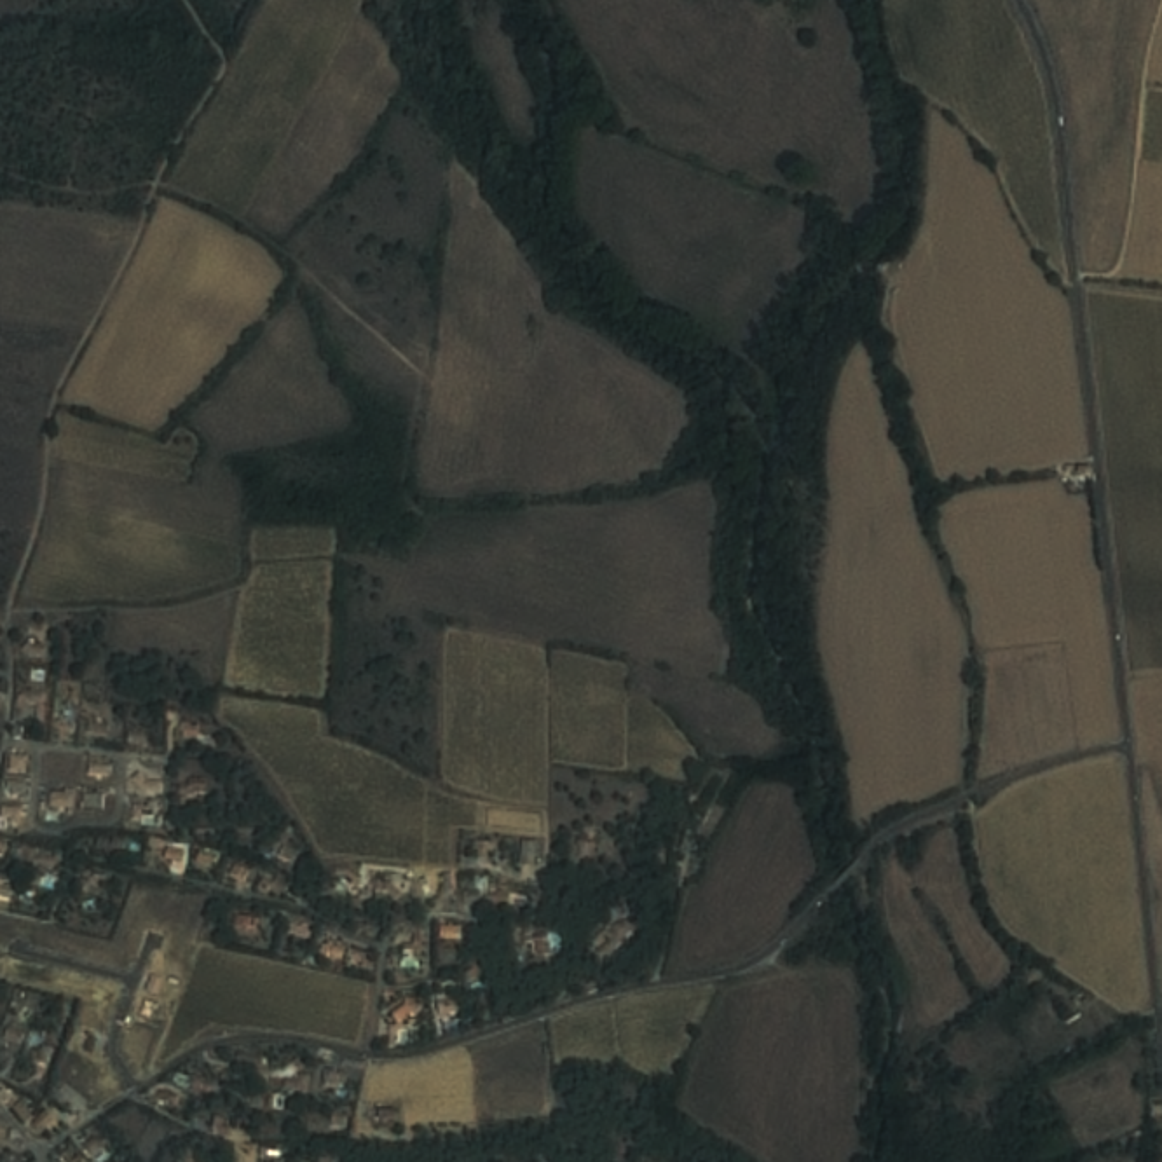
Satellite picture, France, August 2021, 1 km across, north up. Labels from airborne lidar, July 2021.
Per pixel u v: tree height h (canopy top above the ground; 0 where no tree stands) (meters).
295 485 10
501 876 0
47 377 0
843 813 9
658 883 21
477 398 0
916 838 10
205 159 0
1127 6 0
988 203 0
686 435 9
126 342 0
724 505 10
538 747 0
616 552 0
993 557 0
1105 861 0
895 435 14
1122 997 0
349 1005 0
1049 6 0
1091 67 0
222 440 0
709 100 0
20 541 0
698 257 0
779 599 11
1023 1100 6
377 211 0
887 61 19
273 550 0
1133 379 0
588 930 14
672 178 0
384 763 0
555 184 30
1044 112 0
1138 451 0
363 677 8
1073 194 0
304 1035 0
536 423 0
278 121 0
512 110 0
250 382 0
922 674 0
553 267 10
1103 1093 0
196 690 11
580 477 0
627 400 0
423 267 8
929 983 0
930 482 15
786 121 0
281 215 0
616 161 0
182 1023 0
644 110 0
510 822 0
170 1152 8
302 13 0
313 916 9
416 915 12
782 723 11
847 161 0
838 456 0
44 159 6
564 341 0
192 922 0
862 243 29
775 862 0
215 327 0
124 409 0
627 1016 0
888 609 0
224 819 11
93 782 0
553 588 0
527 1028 0
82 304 0
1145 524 0
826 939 6
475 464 0
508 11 15
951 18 0
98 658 8
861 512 0
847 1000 0
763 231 0
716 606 10
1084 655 0
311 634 0
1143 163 0
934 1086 9
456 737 0
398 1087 0
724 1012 0
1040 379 0
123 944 0
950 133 0
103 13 10
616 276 30
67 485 0
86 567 0
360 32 0
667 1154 13
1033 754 0
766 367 28
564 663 0
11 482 0
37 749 0
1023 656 0
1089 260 0
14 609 0
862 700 0
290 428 0
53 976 0
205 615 0
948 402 0
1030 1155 12
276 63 0
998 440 0
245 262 0
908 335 0
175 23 7
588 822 8
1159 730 0
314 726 0
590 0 0
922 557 0
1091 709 0
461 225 0
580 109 31
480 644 0
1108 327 0
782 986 0
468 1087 0
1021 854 0
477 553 0
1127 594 0
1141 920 0
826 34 0
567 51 24
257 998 0
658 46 0
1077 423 0
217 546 0
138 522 0
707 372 17
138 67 6
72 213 0
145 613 0
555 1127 11
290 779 0
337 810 0
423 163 0
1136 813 0
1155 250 0
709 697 0
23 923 0
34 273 0
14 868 12
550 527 0
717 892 0
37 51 7
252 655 0
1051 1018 0
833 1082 0
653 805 10
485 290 0
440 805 0
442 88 12
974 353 0
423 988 11
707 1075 0
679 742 0
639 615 0
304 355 0
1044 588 0
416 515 7
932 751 0
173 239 0
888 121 22
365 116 0
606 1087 11
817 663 8
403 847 0
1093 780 0
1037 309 0
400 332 0
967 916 0
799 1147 0
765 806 0
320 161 0
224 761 11
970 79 0
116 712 9
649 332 28
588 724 0
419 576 0
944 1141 6
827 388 14
